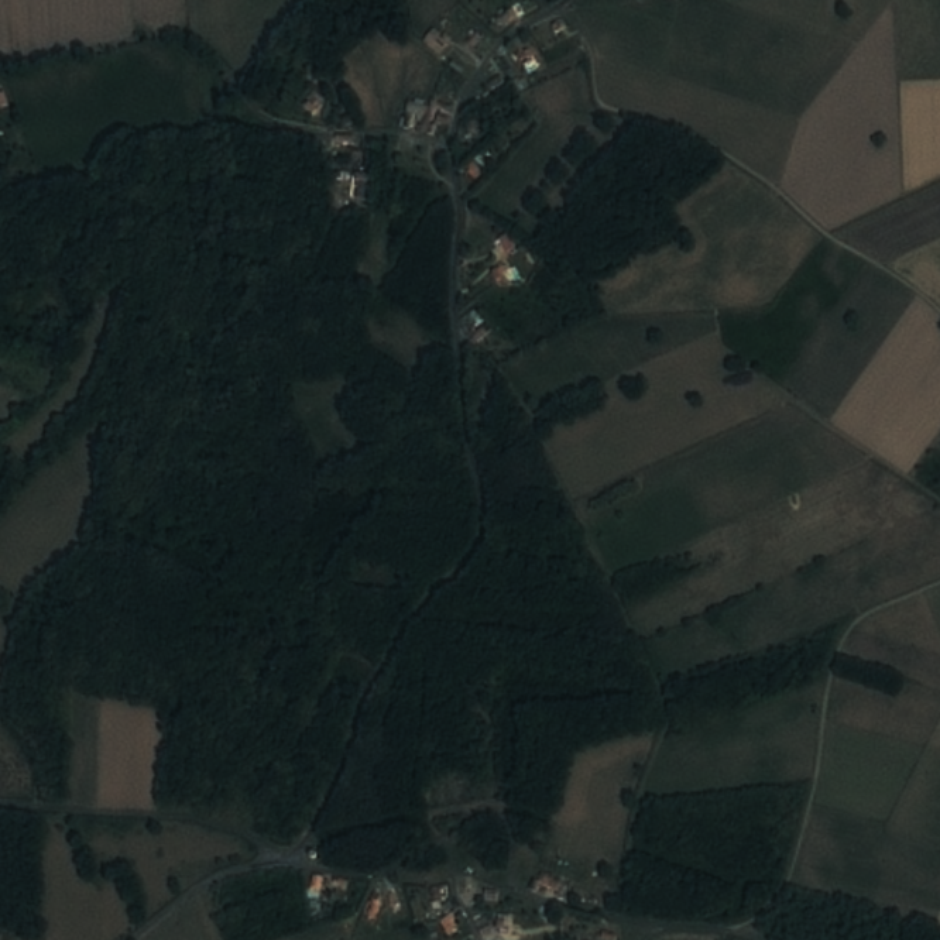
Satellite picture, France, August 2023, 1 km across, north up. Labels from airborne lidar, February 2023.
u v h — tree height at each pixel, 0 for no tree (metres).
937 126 0
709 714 12
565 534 20
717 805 11
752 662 11
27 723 15
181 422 18
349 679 0
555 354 0
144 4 0
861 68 0
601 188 25
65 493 0
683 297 0
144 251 20
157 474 19
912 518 0
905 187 0
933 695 0
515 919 0
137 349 26
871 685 10
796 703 0
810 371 0
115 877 15
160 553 17
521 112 6
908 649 0
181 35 16
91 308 21
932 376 0
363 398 22
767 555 0
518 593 18
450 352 21
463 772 21
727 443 0
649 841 12
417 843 24
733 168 0
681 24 0
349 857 17
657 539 0
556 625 8
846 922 20
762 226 0
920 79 0
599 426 0
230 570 20
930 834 0
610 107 0
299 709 19
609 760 0
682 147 23
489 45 0
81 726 0
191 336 21
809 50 0
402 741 22
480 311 9
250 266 19
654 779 0
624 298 0
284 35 22
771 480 0
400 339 0
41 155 0
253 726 18
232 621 20
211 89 0
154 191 20
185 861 0
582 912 12
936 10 0
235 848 0
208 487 21
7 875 20
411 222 7
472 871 0
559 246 17
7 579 0
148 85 0
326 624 15
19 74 23
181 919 0
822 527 0
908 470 0
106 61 0
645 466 0
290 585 18
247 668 19
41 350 15
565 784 22
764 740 0
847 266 0
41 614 19
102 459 23
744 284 0
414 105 0
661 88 0
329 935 0
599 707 24
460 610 11
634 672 20
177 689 19
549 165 0
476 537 20
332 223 11
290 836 14
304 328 19
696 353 0
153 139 18
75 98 0
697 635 0
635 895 15
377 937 0
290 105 10
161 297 28
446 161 18
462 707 21
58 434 16
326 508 10
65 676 18
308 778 19
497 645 18
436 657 19
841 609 0
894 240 0
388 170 14
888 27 0
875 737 0
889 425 0
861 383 0
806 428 0
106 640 21
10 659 11
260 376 22
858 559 0
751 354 0
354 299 18
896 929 11
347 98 22
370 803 18
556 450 0
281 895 15
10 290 18
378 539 20
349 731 14
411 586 21
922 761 0
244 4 0
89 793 0
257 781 10
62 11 0
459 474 20
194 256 22
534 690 9
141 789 0
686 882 12
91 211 21
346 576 17
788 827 9
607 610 14
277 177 18
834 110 0
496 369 6
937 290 0
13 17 0
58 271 23
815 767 0
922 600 0
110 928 0
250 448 11
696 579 0
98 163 19
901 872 0
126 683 19
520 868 0
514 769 7
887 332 0
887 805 0
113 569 24
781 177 0
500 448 8
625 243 22
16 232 24
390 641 15
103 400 24
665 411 0
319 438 0
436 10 0
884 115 0
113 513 17
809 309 0
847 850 0
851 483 0
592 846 0
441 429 18
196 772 19
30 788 0
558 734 22
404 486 21
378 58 0
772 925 15
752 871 12
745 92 0
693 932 0
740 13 0
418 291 8
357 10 17
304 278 17
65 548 0
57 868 0
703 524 0
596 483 0
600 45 0
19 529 0
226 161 22
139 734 0
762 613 0
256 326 27
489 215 14
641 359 0
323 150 13
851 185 0
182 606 22
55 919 0
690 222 0
